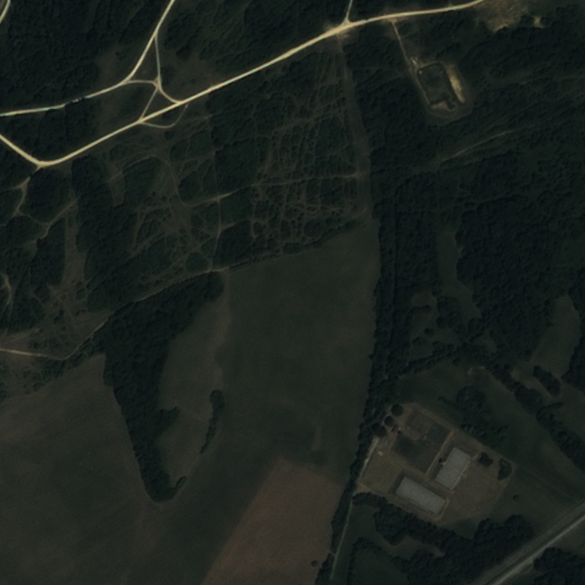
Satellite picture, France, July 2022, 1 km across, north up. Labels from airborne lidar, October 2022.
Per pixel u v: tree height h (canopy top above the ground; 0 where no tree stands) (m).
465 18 5
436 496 0
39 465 0
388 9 0
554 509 0
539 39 19
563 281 7
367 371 0
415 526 21
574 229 13
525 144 6
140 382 13
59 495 0
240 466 0
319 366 0
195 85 0
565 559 26
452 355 10
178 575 0
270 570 0
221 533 0
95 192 9
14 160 15
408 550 0
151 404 12
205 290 9
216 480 0
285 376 0
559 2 0
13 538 0
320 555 0
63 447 0
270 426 0
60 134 9
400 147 16
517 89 8
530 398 13
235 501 0
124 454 0
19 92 10
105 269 9
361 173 0
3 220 16
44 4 15
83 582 0
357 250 0
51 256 15
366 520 0
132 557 0
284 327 0
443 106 0
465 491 0
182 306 10
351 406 0
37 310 7
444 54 5
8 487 0
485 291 14
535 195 0
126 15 7
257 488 0
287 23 16
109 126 0
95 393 0
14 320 6
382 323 16
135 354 12
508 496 0
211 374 0
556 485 0
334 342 0
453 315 13
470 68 7
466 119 7
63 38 16
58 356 0
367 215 0
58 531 0
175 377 0
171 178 0
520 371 0
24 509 0
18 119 11
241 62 6
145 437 12
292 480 0
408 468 0
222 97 7
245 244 8
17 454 0
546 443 0
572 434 7
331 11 9
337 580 0
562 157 7
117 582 0
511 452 0
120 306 7
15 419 0
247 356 0
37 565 0
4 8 0
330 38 0
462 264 15
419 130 13
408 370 13
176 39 8
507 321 19
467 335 6
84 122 14
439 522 0
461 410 6
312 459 0
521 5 0
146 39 0
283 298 0
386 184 10
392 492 0
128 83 0
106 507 0
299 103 0
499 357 6
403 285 19
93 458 0
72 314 0
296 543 0
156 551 0
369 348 0
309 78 8
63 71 12
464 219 9
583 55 12
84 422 0
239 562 0
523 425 0
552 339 0
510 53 9
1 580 0
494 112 7
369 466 0
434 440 0
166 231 0
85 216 8
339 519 7
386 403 11
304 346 0
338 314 0
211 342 0
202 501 0
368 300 0
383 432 22
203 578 0
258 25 12
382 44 8
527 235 20
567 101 6
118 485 0
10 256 9
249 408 0
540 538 0
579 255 0
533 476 0
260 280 0
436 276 13
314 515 0
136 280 7
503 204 16
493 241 14
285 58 0
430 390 0
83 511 0
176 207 0
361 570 0
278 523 0
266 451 0
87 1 10
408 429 0
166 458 0
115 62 0
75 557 0
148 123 0
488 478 0
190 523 0
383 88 11
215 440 0
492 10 0
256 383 0
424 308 8
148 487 7
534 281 10
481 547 25
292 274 0
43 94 9
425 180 12
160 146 0
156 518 0
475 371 0
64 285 0
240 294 0
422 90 0
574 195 14
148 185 6
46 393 0
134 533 0
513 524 18
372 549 8
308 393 0
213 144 6
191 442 0
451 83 0
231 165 6
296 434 0
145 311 10
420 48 0
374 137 6
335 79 0
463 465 0
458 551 23
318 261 0
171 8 0
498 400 0
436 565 11
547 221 8
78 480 0
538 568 17
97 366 0
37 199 17
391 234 17
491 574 0
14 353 0
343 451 0
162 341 8
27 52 15
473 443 0
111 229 10
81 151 0
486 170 9
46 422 0
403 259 9
